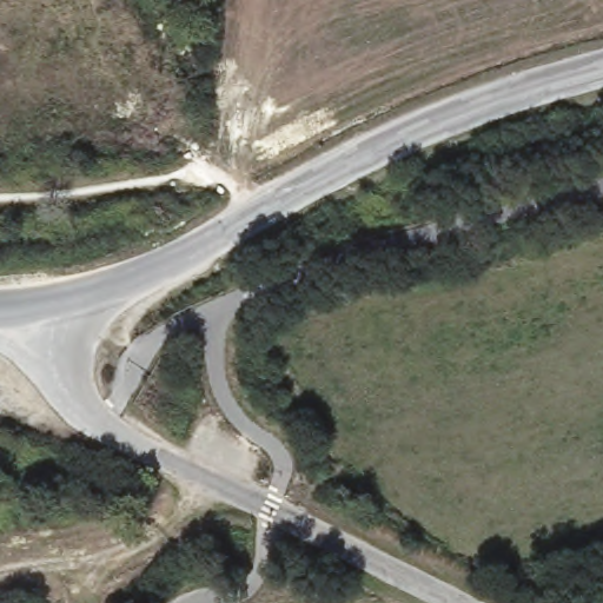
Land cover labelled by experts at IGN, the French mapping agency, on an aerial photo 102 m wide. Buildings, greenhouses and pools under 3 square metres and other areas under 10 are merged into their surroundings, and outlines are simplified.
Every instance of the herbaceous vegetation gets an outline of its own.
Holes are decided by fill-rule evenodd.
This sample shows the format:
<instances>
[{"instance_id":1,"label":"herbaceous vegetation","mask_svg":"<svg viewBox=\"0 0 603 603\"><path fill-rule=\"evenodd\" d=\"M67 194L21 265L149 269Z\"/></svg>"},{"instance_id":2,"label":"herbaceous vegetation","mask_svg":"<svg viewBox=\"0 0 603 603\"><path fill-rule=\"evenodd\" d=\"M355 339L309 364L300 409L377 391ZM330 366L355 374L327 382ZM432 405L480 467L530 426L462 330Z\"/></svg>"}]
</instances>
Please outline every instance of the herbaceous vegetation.
<instances>
[{"instance_id":1,"label":"herbaceous vegetation","mask_svg":"<svg viewBox=\"0 0 603 603\"><path fill-rule=\"evenodd\" d=\"M217 403L210 384L205 386L205 396L200 400L198 422L203 417L214 415L219 422L219 431L228 436L240 436L238 426L226 417L221 405Z\"/></svg>"},{"instance_id":2,"label":"herbaceous vegetation","mask_svg":"<svg viewBox=\"0 0 603 603\"><path fill-rule=\"evenodd\" d=\"M210 217L203 210L191 207L191 212L174 226L146 228L144 240L139 245L144 252L184 236L193 226L207 221Z\"/></svg>"},{"instance_id":3,"label":"herbaceous vegetation","mask_svg":"<svg viewBox=\"0 0 603 603\"><path fill-rule=\"evenodd\" d=\"M250 405L247 391L238 382L238 375L233 370L233 327L228 327L224 344L228 389L238 407L257 426L266 429L269 433L283 440L283 429L269 422L259 410Z\"/></svg>"},{"instance_id":4,"label":"herbaceous vegetation","mask_svg":"<svg viewBox=\"0 0 603 603\"><path fill-rule=\"evenodd\" d=\"M273 473L269 452L261 450L254 469L257 481L271 478Z\"/></svg>"},{"instance_id":5,"label":"herbaceous vegetation","mask_svg":"<svg viewBox=\"0 0 603 603\"><path fill-rule=\"evenodd\" d=\"M431 556L429 551L405 549L400 539L396 535L386 528L363 528L358 537L377 546L379 551L424 570L436 579L464 589L466 572L464 568L445 558Z\"/></svg>"},{"instance_id":6,"label":"herbaceous vegetation","mask_svg":"<svg viewBox=\"0 0 603 603\"><path fill-rule=\"evenodd\" d=\"M33 203L0 203L0 219L21 224L26 217L35 214Z\"/></svg>"},{"instance_id":7,"label":"herbaceous vegetation","mask_svg":"<svg viewBox=\"0 0 603 603\"><path fill-rule=\"evenodd\" d=\"M160 382L160 367L153 360L141 375L141 382L132 391L125 410L120 412L122 417L134 417L153 429L155 415L148 407L146 389Z\"/></svg>"},{"instance_id":8,"label":"herbaceous vegetation","mask_svg":"<svg viewBox=\"0 0 603 603\"><path fill-rule=\"evenodd\" d=\"M193 141L186 137L186 118L179 111L184 101L184 90L179 87L177 78L151 68L148 59L158 49L141 38L137 19L127 9L108 9L101 14L97 7L101 0L0 0L0 151L5 153L5 158L9 158L21 146L31 144L38 134L52 141L54 134L73 132L80 141L92 141L99 151L113 151L115 146L111 141L127 141L139 148L158 151L160 155L167 155L165 146L160 144L160 139L167 134L177 139L181 151L186 153L186 148Z\"/></svg>"}]
</instances>

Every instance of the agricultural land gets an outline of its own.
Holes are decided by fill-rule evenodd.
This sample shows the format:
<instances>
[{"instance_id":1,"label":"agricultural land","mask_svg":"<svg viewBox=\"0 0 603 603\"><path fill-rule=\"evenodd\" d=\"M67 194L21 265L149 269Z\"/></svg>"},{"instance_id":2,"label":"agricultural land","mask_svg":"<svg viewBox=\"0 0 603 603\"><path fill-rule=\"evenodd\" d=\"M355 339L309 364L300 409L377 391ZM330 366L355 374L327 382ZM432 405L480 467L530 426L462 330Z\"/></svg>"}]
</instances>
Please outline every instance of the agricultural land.
<instances>
[{"instance_id":1,"label":"agricultural land","mask_svg":"<svg viewBox=\"0 0 603 603\"><path fill-rule=\"evenodd\" d=\"M570 42L577 38L603 33L603 0L226 0L224 47L221 61L217 64L219 130L217 137L200 148L200 155L210 165L219 167L238 181L250 181L252 172L257 172L266 160L276 158L280 151L294 144L313 139L320 132L334 127L334 120L342 122L356 118L365 108L375 108L375 115L379 115L410 97L452 82L462 75L483 71L488 66L509 61L521 54L546 49L558 42Z\"/></svg>"},{"instance_id":2,"label":"agricultural land","mask_svg":"<svg viewBox=\"0 0 603 603\"><path fill-rule=\"evenodd\" d=\"M582 240L572 250L558 250L546 259L513 257L504 264L490 266L476 283L459 285L455 290L448 290L440 283L419 283L400 294L363 294L356 299L353 294L344 294L337 287L327 287L313 297L306 318L294 330L280 334L278 346L283 346L283 351L287 353L285 375L292 379L292 389L297 393L297 398L290 403L294 417L313 426L318 433L330 436L334 440L330 455L339 457L344 466L351 471L327 481L334 490L346 488L353 499L365 497L377 511L382 511L386 502L398 506L412 521L396 535L400 539L412 537L419 544L424 535L431 532L445 539L452 551L471 556L464 568L466 572L478 572L488 565L504 565L511 575L523 565L521 556L530 556L530 551L535 551L544 561L558 551L577 551L594 542L603 542L603 236Z\"/></svg>"},{"instance_id":3,"label":"agricultural land","mask_svg":"<svg viewBox=\"0 0 603 603\"><path fill-rule=\"evenodd\" d=\"M363 577L360 596L351 603L426 603L407 591L400 591L398 587L391 587L367 575Z\"/></svg>"},{"instance_id":4,"label":"agricultural land","mask_svg":"<svg viewBox=\"0 0 603 603\"><path fill-rule=\"evenodd\" d=\"M304 603L292 594L290 587L278 589L261 579L257 594L250 594L247 587L243 591L214 594L214 603Z\"/></svg>"}]
</instances>

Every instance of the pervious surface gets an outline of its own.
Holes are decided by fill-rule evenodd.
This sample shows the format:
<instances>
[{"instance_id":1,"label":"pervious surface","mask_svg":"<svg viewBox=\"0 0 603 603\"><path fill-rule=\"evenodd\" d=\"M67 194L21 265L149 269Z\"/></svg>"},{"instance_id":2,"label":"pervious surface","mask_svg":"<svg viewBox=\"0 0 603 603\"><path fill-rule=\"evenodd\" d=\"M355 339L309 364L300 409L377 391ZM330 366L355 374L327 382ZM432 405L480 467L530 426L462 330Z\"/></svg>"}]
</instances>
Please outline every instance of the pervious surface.
<instances>
[{"instance_id":1,"label":"pervious surface","mask_svg":"<svg viewBox=\"0 0 603 603\"><path fill-rule=\"evenodd\" d=\"M97 372L101 375L101 396L111 398L115 367L125 353L125 346L104 339L97 353Z\"/></svg>"},{"instance_id":2,"label":"pervious surface","mask_svg":"<svg viewBox=\"0 0 603 603\"><path fill-rule=\"evenodd\" d=\"M167 334L170 339L177 339L181 334L196 337L198 342L205 339L205 323L196 313L184 311L177 325L167 332Z\"/></svg>"},{"instance_id":3,"label":"pervious surface","mask_svg":"<svg viewBox=\"0 0 603 603\"><path fill-rule=\"evenodd\" d=\"M330 513L325 504L313 499L313 483L294 469L285 488L285 499L290 499L297 506L304 506L302 518L311 523L323 518L325 523L330 523L330 530L339 535L342 521Z\"/></svg>"},{"instance_id":4,"label":"pervious surface","mask_svg":"<svg viewBox=\"0 0 603 603\"><path fill-rule=\"evenodd\" d=\"M115 589L130 584L144 570L148 561L153 565L160 565L163 558L174 554L179 546L191 544L200 535L231 535L231 525L250 528L254 535L257 516L226 504L214 504L210 511L203 513L193 502L188 502L179 492L179 485L174 481L165 478L163 492L155 497L153 504L153 521L146 525L146 537L137 544L125 544L120 537L115 537L108 528L104 528L97 521L85 521L82 525L54 525L52 530L26 530L21 537L14 535L9 528L0 532L0 601L5 598L5 594L12 594L12 591L26 591L26 594L31 594L31 596L38 596L38 598L40 598L40 603L106 603L106 598Z\"/></svg>"},{"instance_id":5,"label":"pervious surface","mask_svg":"<svg viewBox=\"0 0 603 603\"><path fill-rule=\"evenodd\" d=\"M219 193L228 193L238 186L238 181L219 167L210 165L200 155L200 148L193 141L186 148L186 153L184 167L153 177L104 181L75 186L68 191L0 193L0 203L33 203L85 198L160 184L174 186L179 181L196 186L214 186Z\"/></svg>"}]
</instances>

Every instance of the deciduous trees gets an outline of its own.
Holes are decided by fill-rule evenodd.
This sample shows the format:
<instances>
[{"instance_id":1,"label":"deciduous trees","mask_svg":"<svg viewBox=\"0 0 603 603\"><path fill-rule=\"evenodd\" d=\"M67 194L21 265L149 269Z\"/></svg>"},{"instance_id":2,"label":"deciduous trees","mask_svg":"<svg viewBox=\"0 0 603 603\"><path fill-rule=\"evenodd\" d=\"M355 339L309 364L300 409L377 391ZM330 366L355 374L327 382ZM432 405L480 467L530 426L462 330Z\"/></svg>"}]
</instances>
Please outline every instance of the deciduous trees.
<instances>
[{"instance_id":1,"label":"deciduous trees","mask_svg":"<svg viewBox=\"0 0 603 603\"><path fill-rule=\"evenodd\" d=\"M153 360L160 367L160 382L146 389L148 407L155 415L153 429L163 438L181 448L191 440L198 422L200 400L205 396L205 386L210 384L205 370L205 339L198 342L196 337L181 334L177 339L170 339L167 334Z\"/></svg>"},{"instance_id":2,"label":"deciduous trees","mask_svg":"<svg viewBox=\"0 0 603 603\"><path fill-rule=\"evenodd\" d=\"M261 579L278 589L290 587L292 594L304 603L351 603L360 596L363 577L367 575L363 568L358 575L346 575L344 579L325 579L306 565L306 551L271 542L266 546L269 556L261 565Z\"/></svg>"},{"instance_id":3,"label":"deciduous trees","mask_svg":"<svg viewBox=\"0 0 603 603\"><path fill-rule=\"evenodd\" d=\"M231 250L219 261L217 271L207 271L205 276L186 283L184 287L172 290L158 306L148 309L141 316L141 320L151 330L155 325L165 325L167 332L177 325L184 311L196 313L198 304L221 297L226 292L250 292L250 299L245 299L236 311L233 327L233 370L238 375L238 382L247 391L250 405L259 410L269 422L283 429L283 440L292 455L294 469L313 483L313 499L325 504L330 513L342 521L339 535L342 537L344 532L351 532L358 537L363 528L386 528L396 535L412 521L398 506L386 502L382 511L377 511L365 497L353 499L346 488L334 490L327 481L351 471L344 466L339 457L330 455L334 440L330 436L318 433L313 426L294 417L290 403L297 398L297 393L292 389L292 379L285 375L287 353L283 351L283 346L278 346L280 334L294 330L306 318L313 297L327 287L337 287L344 294L353 294L356 299L363 294L400 294L419 283L440 283L448 290L455 290L459 285L476 283L490 266L504 264L513 257L546 259L558 250L572 250L582 240L603 236L603 212L598 212L591 205L568 205L539 217L537 221L516 224L499 224L499 214L504 207L516 210L521 205L554 198L556 193L570 188L598 188L598 179L603 177L603 90L598 90L598 97L591 104L558 99L546 106L511 113L471 130L462 139L466 146L471 146L471 158L466 163L450 160L431 172L426 172L415 160L393 167L386 165L386 174L379 177L370 191L363 191L360 196L346 193L342 198L337 193L330 193L316 200L313 205L299 212L304 217L304 231L292 240L278 233L273 240L245 247L240 254ZM429 224L438 226L438 238L431 240L431 252L407 254L398 250L372 250L365 257L349 257L342 266L323 264L323 259L316 254L320 245L349 240L363 226Z\"/></svg>"},{"instance_id":4,"label":"deciduous trees","mask_svg":"<svg viewBox=\"0 0 603 603\"><path fill-rule=\"evenodd\" d=\"M200 148L217 137L219 130L217 64L221 61L224 47L226 0L101 0L97 7L101 14L108 9L127 9L137 19L141 38L158 49L148 59L151 68L177 78L179 87L184 90L184 101L179 111L186 118L186 137L193 141Z\"/></svg>"},{"instance_id":5,"label":"deciduous trees","mask_svg":"<svg viewBox=\"0 0 603 603\"><path fill-rule=\"evenodd\" d=\"M452 551L445 539L431 532L424 535L419 544L412 537L400 539L405 549L429 551L431 556L445 558L464 568L471 556Z\"/></svg>"},{"instance_id":6,"label":"deciduous trees","mask_svg":"<svg viewBox=\"0 0 603 603\"><path fill-rule=\"evenodd\" d=\"M146 537L146 525L153 521L153 504L155 497L163 492L165 478L163 473L153 476L151 469L139 469L125 459L113 459L108 452L87 452L75 445L31 445L24 438L9 436L7 429L0 429L0 532L9 528L14 535L21 537L26 530L52 530L54 525L82 525L85 521L97 521L104 528L108 528L115 537L120 537L125 544L137 544Z\"/></svg>"},{"instance_id":7,"label":"deciduous trees","mask_svg":"<svg viewBox=\"0 0 603 603\"><path fill-rule=\"evenodd\" d=\"M478 572L466 572L464 589L485 603L603 603L603 542L594 542L577 551L558 551L544 561L535 551L530 551L530 556L521 556L523 565L511 575L504 565L488 565Z\"/></svg>"},{"instance_id":8,"label":"deciduous trees","mask_svg":"<svg viewBox=\"0 0 603 603\"><path fill-rule=\"evenodd\" d=\"M200 535L191 544L179 546L174 554L191 558L196 563L196 572L203 572L212 579L207 589L212 589L214 594L243 591L247 587L247 575L252 570L254 556L254 535L250 528L231 525L231 535Z\"/></svg>"}]
</instances>

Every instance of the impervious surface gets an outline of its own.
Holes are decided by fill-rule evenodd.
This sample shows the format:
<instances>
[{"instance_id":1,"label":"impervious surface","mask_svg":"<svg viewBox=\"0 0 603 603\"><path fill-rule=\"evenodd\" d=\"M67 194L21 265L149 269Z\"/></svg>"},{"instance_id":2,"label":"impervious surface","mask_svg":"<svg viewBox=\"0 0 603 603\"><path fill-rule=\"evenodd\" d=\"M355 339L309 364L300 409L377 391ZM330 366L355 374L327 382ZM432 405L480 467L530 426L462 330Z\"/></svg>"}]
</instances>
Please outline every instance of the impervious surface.
<instances>
[{"instance_id":1,"label":"impervious surface","mask_svg":"<svg viewBox=\"0 0 603 603\"><path fill-rule=\"evenodd\" d=\"M250 299L250 292L226 292L221 297L198 304L196 313L205 323L205 339L205 370L210 384L217 403L221 405L226 417L238 426L240 436L228 436L219 431L219 422L214 415L203 417L198 422L191 440L181 448L163 438L153 429L134 417L122 417L120 412L125 410L132 391L141 382L141 375L153 360L167 334L167 332L165 325L155 325L151 330L141 320L141 316L148 309L158 306L172 290L184 287L186 283L205 276L207 271L217 271L219 261L231 250L240 254L245 247L273 240L278 233L292 240L304 231L304 217L299 212L313 205L316 200L330 193L337 193L342 198L346 193L360 196L363 191L370 191L379 177L386 174L386 165L393 167L415 160L426 172L431 172L450 160L466 163L471 158L471 146L466 146L462 139L471 130L511 113L546 106L558 99L591 104L598 97L598 90L603 90L603 47L530 66L495 78L490 82L481 82L476 87L455 92L450 97L436 99L398 118L391 118L367 132L360 132L271 181L250 181L238 181L238 186L228 193L228 205L210 217L207 221L193 226L184 236L144 252L66 276L0 276L0 429L7 429L9 436L24 438L31 445L75 445L87 452L108 452L113 459L125 459L139 469L151 469L153 476L163 473L165 478L174 481L179 485L179 492L188 502L193 502L203 513L210 511L214 504L226 504L257 516L254 535L254 556L252 570L247 575L247 587L250 594L257 594L261 579L261 565L269 556L266 546L271 542L306 551L306 565L325 579L344 579L346 575L358 575L363 568L367 575L391 587L398 587L400 591L407 591L426 603L485 603L464 589L436 579L424 570L379 551L377 546L358 537L351 532L344 532L342 537L339 535L330 530L330 523L325 523L323 518L311 523L302 518L304 506L297 506L290 499L285 499L285 488L294 469L292 455L283 440L269 433L266 429L257 426L238 407L228 389L224 344L228 327L233 327L236 311L245 299ZM125 353L115 367L111 398L101 396L101 375L97 372L97 353L104 339L125 346ZM257 481L254 469L261 450L269 452L273 473L271 478Z\"/></svg>"},{"instance_id":2,"label":"impervious surface","mask_svg":"<svg viewBox=\"0 0 603 603\"><path fill-rule=\"evenodd\" d=\"M516 224L537 221L539 217L568 205L591 205L598 212L603 212L603 177L598 179L598 188L570 188L556 193L554 198L521 205L516 210L504 207L499 214L499 224Z\"/></svg>"},{"instance_id":3,"label":"impervious surface","mask_svg":"<svg viewBox=\"0 0 603 603\"><path fill-rule=\"evenodd\" d=\"M349 257L365 257L372 250L398 250L407 254L431 252L431 240L438 238L438 226L429 224L363 226L349 240L320 245L316 254L323 259L323 264L342 266Z\"/></svg>"},{"instance_id":4,"label":"impervious surface","mask_svg":"<svg viewBox=\"0 0 603 603\"><path fill-rule=\"evenodd\" d=\"M207 589L184 591L167 603L214 603L214 594L212 589Z\"/></svg>"}]
</instances>

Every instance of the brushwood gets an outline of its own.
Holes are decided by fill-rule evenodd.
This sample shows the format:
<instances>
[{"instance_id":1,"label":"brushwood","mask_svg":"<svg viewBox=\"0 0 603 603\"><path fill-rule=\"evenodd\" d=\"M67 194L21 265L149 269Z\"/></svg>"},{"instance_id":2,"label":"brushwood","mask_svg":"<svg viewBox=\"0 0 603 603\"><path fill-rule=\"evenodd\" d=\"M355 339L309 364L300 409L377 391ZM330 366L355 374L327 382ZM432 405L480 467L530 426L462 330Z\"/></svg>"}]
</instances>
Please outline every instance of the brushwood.
<instances>
[{"instance_id":1,"label":"brushwood","mask_svg":"<svg viewBox=\"0 0 603 603\"><path fill-rule=\"evenodd\" d=\"M35 214L26 217L21 224L0 219L0 276L66 276L144 252L139 245L144 240L146 228L174 226L191 212L191 207L203 210L210 217L228 205L228 193L219 193L214 186L196 186L179 181L174 186L160 184L85 198L33 203Z\"/></svg>"},{"instance_id":2,"label":"brushwood","mask_svg":"<svg viewBox=\"0 0 603 603\"><path fill-rule=\"evenodd\" d=\"M0 601L0 603L40 603L40 598L38 598L38 596L31 596L31 594L26 594L26 591L12 591L12 594L5 594L5 598Z\"/></svg>"},{"instance_id":3,"label":"brushwood","mask_svg":"<svg viewBox=\"0 0 603 603\"><path fill-rule=\"evenodd\" d=\"M481 82L490 82L495 78L530 66L603 47L603 33L577 38L570 42L558 42L546 49L521 54L509 61L488 66L483 71L462 75L452 82L410 97L379 115L375 115L375 108L365 108L356 118L342 122L334 120L334 127L320 132L313 139L294 144L280 151L276 158L266 160L257 172L252 172L250 181L271 181L360 132L367 132L391 118L398 118L436 99L450 97L455 92L476 87Z\"/></svg>"},{"instance_id":4,"label":"brushwood","mask_svg":"<svg viewBox=\"0 0 603 603\"><path fill-rule=\"evenodd\" d=\"M73 132L54 134L52 141L38 134L31 144L21 146L9 158L5 158L5 153L0 151L0 193L68 191L75 186L104 181L153 177L184 167L186 153L181 151L177 139L167 134L160 139L160 144L165 146L167 155L160 155L158 151L139 148L127 141L111 141L115 146L113 151L99 151L92 141L80 141Z\"/></svg>"},{"instance_id":5,"label":"brushwood","mask_svg":"<svg viewBox=\"0 0 603 603\"><path fill-rule=\"evenodd\" d=\"M148 561L144 570L130 584L115 589L106 598L106 603L167 603L184 591L207 589L212 579L203 572L196 572L196 563L191 558L174 554L163 558L160 565L153 565Z\"/></svg>"}]
</instances>

